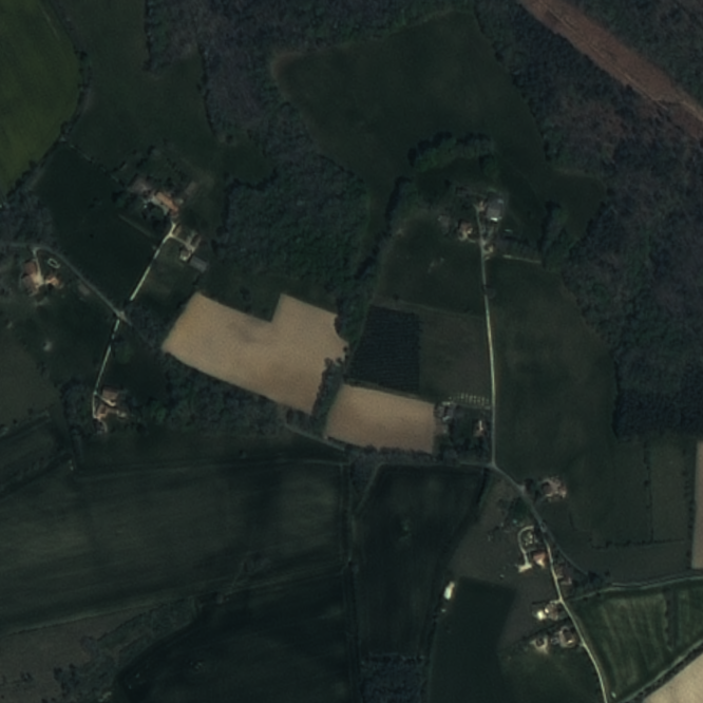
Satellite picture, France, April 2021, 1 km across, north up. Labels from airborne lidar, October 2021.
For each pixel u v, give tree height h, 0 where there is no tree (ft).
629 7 55
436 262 0
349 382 32
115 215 0
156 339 42
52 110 0
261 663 0
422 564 0
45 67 0
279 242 62
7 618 0
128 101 0
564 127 51
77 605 0
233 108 57
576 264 80
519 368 0
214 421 69
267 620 0
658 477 0
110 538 0
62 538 0
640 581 0
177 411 73
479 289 0
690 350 78
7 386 0
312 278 50
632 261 72
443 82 0
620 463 0
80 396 67
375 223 0
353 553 0
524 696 0
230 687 0
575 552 0
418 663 29
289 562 0
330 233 80
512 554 0
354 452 51
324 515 0
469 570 0
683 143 64
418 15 68
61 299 0
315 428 57
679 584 0
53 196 0
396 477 0
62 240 0
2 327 0
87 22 0
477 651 0
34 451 0
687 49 35
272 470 0
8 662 0
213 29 71
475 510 0
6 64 0
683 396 53
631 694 0
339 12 73
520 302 0
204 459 0
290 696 0
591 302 61
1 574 0
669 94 0
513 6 69
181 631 0
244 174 0
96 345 0
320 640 0
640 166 65
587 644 0
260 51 79
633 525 0
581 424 0
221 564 0
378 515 0
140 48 0
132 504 0
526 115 0
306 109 0
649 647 0
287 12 53
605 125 29
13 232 89
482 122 0
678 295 67
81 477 0
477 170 0
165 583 0
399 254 0
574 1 55
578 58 88
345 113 0
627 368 81
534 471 0
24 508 0
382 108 0
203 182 0
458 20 0
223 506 0
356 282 52
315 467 0
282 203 64
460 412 38
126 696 0
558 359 0
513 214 0
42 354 0
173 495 0
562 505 0
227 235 60
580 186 0
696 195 21
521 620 0
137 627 24
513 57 62
